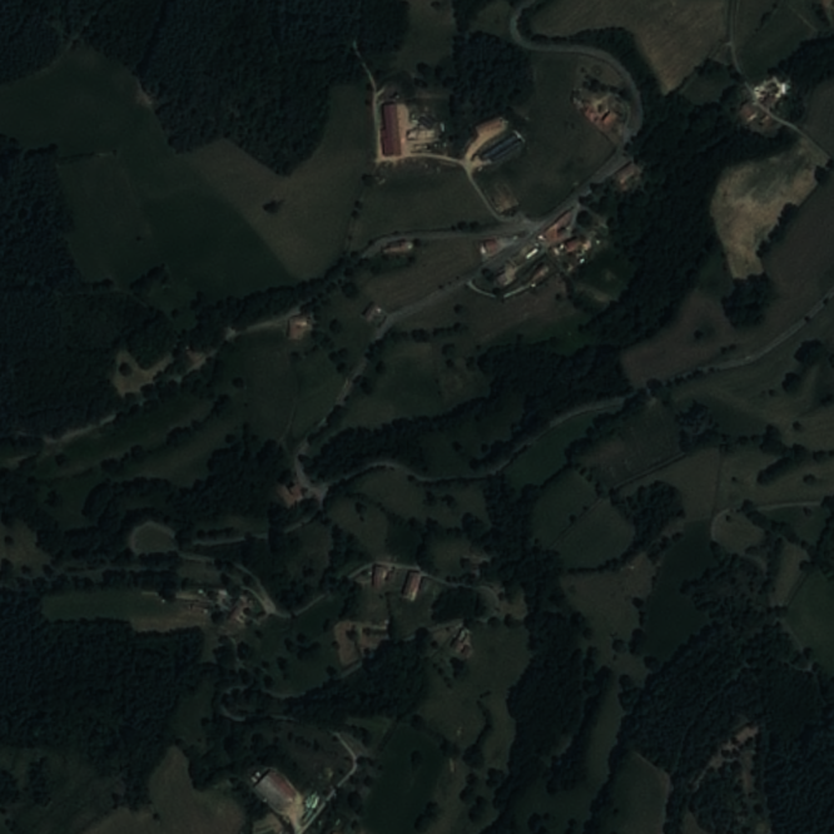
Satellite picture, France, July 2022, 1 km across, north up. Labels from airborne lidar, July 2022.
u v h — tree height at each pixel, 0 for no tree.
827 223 0
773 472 15
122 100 0
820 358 12
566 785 21
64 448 0
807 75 19
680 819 9
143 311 7
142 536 0
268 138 10
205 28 24
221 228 0
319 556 0
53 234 30
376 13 17
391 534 0
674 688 18
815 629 0
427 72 15
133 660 20
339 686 15
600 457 0
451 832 0
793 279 0
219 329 21
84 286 30
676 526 0
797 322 0
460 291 0
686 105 19
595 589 0
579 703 20
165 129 10
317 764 0
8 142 11
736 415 0
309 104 18
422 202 0
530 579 16
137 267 0
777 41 0
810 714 16
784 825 22
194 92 18
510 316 0
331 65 19
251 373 0
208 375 13
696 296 0
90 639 15
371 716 6
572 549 0
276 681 14
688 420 19
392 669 17
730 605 10
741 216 0
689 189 19
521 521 17
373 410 0
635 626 0
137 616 0
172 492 15
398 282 0
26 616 19
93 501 19
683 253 17
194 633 15
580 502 0
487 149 0
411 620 0
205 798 0
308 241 0
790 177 0
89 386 15
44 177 22
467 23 13
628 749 16
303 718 19
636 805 0
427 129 0
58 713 22
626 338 7
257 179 0
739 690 15
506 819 14
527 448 10
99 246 0
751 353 0
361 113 0
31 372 15
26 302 27
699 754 11
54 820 0
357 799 16
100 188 0
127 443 0
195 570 0
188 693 12
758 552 7
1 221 25
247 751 6
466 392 0
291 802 0
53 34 21
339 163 0
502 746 0
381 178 0
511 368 21
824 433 0
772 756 13
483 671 0
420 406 0
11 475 19
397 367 0
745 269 0
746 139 23
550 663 20
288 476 13
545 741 18
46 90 0
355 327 0
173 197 0
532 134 0
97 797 0
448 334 8
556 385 26
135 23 7
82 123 0
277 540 22
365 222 0
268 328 0
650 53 0
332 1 27
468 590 10
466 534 8
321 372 0
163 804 0
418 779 0
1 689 24
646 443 0
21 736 12
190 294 0
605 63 0
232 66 13
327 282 13
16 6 31
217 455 14
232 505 22
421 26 0
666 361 0
